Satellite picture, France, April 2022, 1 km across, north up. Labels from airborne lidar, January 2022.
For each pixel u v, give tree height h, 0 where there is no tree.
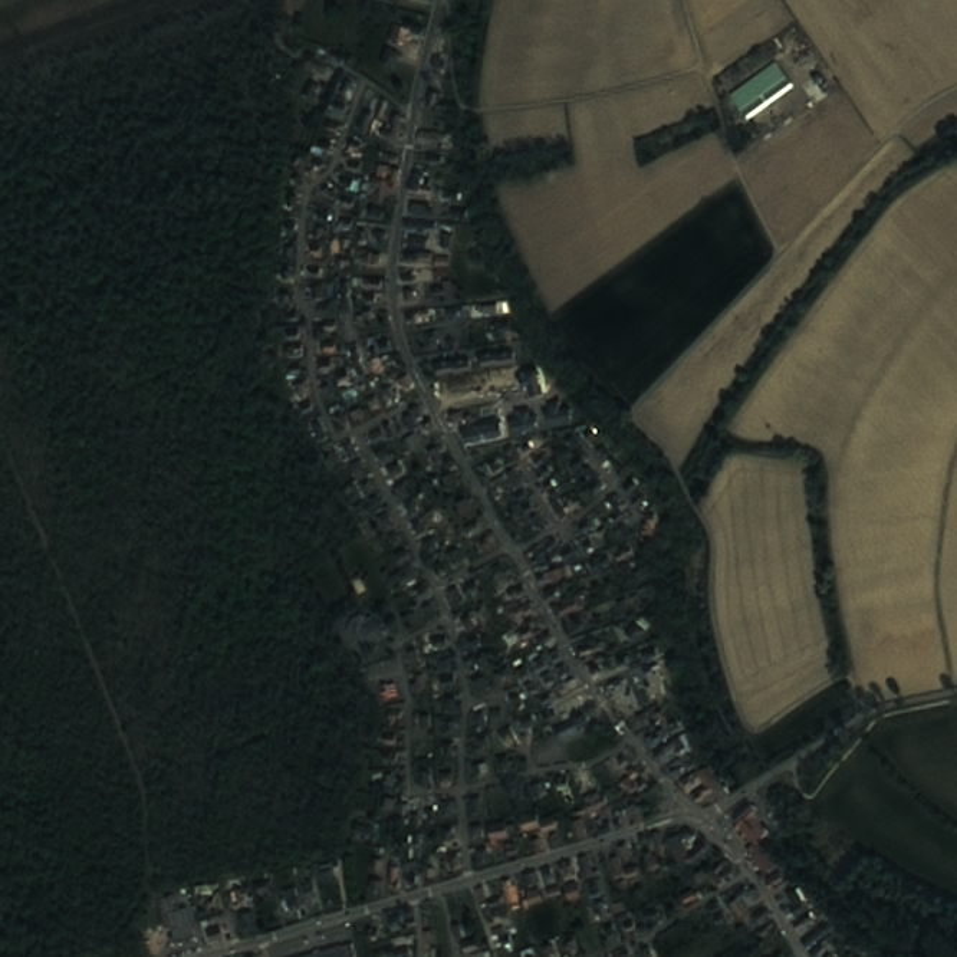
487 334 0
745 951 11
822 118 0
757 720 0
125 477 12
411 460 0
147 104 10
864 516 0
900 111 0
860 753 0
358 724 11
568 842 0
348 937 0
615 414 21
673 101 0
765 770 0
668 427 0
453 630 0
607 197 0
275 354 12
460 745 0
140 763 10
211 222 20
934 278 0
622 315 0
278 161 8
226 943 0
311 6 0
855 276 0
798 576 0
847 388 0
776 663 0
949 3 0
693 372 0
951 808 0
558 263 0
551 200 0
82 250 24
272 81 12
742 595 0
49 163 16
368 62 0
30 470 13
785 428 0
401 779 7
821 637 0
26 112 16
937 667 0
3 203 26
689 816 0
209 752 11
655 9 0
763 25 0
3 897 18
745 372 13
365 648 14
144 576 15
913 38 0
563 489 0
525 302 24
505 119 0
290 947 0
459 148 15
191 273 19
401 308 0
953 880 0
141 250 19
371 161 0
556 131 0
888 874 20
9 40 0
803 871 24
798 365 0
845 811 0
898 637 0
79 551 12
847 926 18
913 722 0
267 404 18
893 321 0
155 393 16
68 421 17
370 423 0
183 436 6
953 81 0
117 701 9
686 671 22
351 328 0
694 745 17
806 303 17
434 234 0
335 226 0
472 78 21
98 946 14
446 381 0
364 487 0
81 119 23
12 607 10
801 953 0
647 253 0
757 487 0
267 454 24
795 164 0
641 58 0
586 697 0
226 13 13
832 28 0
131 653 10
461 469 8
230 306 18
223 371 20
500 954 0
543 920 0
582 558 0
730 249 0
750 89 0
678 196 0
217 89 18
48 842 13
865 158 0
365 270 0
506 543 0
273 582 7
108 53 13
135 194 18
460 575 0
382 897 0
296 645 13
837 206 0
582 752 0
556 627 0
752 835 0
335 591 0
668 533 23
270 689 14
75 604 11
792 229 0
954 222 0
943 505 0
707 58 0
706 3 0
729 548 0
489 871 0
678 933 0
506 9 0
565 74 0
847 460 0
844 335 0
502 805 0
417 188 0
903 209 0
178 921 0
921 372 0
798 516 0
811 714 0
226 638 21
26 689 10
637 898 12
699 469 6
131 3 0
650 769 0
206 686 15
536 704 0
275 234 6
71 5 0
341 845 14
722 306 0
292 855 10
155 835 10
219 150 17
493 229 26
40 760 13
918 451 0
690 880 15
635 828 0
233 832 14
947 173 0
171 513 11
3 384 12
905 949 29
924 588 0
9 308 18
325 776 16
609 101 0
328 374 0
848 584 0
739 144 19
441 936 0
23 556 9
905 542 0
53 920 15
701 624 9
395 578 10
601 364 0
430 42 0
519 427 0
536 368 0
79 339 16
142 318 20
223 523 16
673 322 0
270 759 12
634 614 12
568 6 0
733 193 0
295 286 0
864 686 0
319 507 17
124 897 12
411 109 0
